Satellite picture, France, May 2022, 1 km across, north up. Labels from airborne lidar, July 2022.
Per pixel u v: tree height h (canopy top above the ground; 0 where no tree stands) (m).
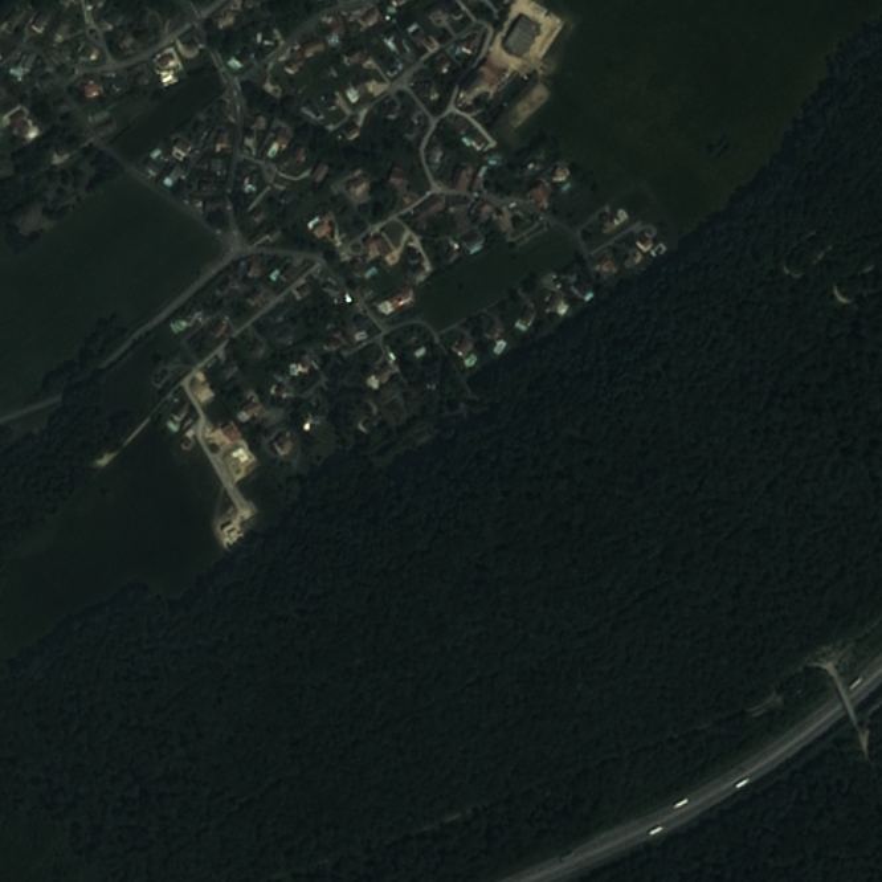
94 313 0
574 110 0
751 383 28
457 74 12
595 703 20
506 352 0
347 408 16
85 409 22
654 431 19
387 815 19
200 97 0
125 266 0
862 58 27
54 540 0
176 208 0
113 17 0
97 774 16
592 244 11
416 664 20
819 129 26
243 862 20
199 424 0
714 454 20
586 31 0
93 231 0
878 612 11
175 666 19
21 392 0
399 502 28
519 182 10
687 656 16
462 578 20
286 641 15
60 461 17
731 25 0
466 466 24
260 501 0
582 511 19
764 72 0
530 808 21
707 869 23
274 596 21
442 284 0
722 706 13
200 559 0
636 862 15
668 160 0
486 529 23
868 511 15
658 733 20
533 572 16
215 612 23
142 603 25
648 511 19
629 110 0
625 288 15
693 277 29
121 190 0
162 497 0
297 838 26
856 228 14
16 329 0
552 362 29
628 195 0
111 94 6
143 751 20
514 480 20
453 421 0
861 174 12
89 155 16
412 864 20
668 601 19
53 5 10
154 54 0
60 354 0
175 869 19
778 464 15
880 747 15
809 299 23
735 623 14
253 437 8
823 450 14
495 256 0
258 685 18
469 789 17
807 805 27
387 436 13
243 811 19
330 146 19
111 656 17
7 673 27
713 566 15
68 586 0
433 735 21
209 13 0
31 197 17
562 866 0
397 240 0
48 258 0
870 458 25
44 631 0
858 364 20
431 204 0
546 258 0
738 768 0
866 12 0
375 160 14
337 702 17
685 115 0
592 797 22
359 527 27
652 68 0
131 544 0
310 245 9
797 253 12
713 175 0
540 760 21
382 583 17
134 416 7
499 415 27
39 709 20
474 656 17
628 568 18
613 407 18
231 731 21
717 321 14
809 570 16
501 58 0
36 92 7
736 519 17
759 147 0
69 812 27
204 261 0
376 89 0
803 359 26
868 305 25
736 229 26
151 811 22
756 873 20
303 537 26
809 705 7
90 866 23
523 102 0
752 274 15
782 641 21
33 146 8
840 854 18
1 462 17
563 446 19
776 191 28
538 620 18
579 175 15
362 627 20
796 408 26
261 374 0
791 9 0
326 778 21
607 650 11
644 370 15
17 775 24
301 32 0
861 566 16
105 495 13
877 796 20
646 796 11
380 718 16
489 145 0
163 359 12
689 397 18
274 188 0
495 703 19
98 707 18
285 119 15
